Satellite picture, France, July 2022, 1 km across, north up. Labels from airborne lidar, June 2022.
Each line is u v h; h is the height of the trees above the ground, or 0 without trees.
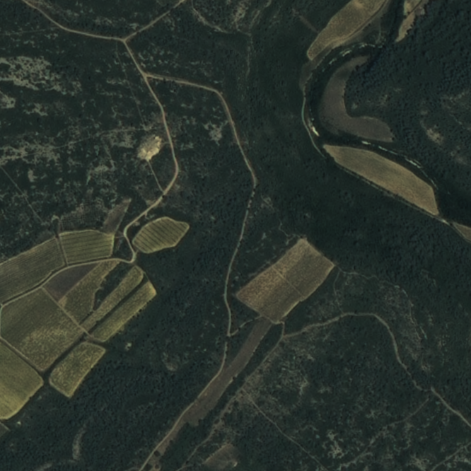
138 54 0
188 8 0
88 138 0
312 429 8
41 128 0
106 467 9
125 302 0
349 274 0
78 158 0
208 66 0
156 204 0
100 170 0
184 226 0
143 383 11
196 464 7
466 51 15
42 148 0
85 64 0
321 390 0
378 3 0
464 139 10
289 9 12
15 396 0
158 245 0
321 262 0
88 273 0
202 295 7
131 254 0
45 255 0
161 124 0
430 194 0
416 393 10
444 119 7
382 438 7
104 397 10
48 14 0
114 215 0
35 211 0
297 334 0
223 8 9
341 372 6
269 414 7
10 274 0
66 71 12
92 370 6
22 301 0
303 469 0
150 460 0
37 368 0
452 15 8
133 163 0
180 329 9
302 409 7
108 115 0
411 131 12
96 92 0
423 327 0
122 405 12
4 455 7
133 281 0
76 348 0
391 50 12
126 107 0
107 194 0
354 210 7
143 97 0
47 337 0
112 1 0
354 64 0
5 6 10
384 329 6
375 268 6
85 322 0
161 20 0
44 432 7
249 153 6
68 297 0
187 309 7
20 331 0
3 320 0
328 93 0
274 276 0
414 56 6
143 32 7
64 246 0
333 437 0
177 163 0
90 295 0
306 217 14
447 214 9
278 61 11
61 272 0
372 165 0
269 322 0
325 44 0
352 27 0
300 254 0
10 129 0
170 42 9
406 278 12
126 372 12
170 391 12
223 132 0
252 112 9
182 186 0
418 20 18
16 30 0
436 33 7
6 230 7
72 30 0
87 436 7
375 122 0
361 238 9
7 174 0
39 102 0
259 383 0
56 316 0
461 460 0
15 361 0
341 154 0
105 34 11
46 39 0
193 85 0
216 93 8
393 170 0
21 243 9
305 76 0
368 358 8
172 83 7
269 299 0
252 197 7
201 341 0
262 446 11
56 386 0
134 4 0
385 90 7
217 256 11
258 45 10
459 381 18
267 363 0
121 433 7
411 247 11
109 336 0
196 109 0
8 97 0
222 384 0
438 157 10
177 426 0
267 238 0
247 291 0
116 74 0
